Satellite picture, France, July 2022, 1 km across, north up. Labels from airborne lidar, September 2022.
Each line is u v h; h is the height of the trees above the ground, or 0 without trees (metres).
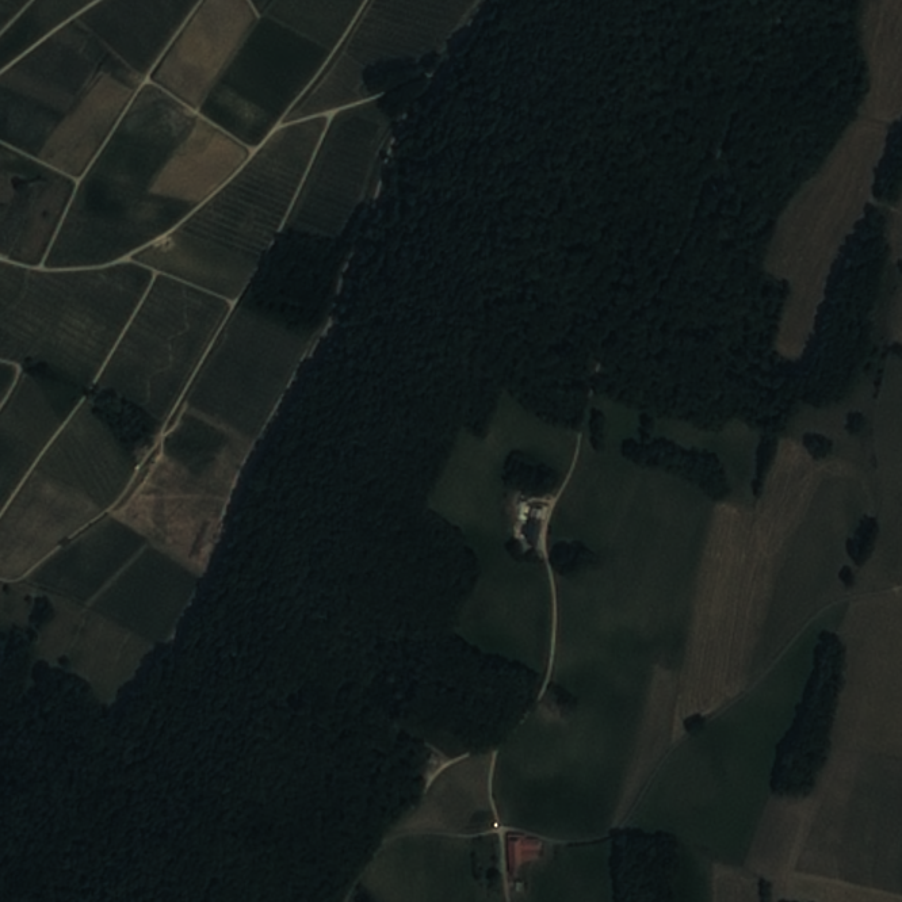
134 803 24
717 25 14
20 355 0
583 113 15
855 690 0
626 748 0
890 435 0
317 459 18
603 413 10
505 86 23
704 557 0
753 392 21
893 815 0
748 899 0
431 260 23
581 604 0
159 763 17
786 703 0
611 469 0
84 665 0
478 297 19
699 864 0
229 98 0
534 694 14
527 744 0
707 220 19
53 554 0
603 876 0
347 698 20
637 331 21
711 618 0
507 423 0
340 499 10
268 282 12
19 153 0
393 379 18
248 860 18
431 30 0
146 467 0
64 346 0
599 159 15
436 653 23
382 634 14
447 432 16
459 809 0
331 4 0
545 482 20
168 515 0
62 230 0
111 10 0
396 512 26
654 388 18
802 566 0
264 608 18
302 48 0
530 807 0
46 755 19
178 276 0
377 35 0
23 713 23
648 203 14
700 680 0
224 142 0
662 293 19
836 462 0
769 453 16
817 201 0
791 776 18
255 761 10
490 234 15
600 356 16
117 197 0
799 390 19
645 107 10
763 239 12
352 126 0
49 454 0
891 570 0
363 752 19
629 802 0
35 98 0
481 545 0
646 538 0
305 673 20
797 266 0
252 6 0
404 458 18
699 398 18
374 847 12
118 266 0
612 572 0
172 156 0
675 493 0
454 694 19
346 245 15
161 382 0
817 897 0
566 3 16
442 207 23
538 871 0
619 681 0
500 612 0
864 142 0
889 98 0
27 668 18
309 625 14
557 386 19
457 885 0
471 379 16
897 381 0
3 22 0
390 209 22
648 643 0
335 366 19
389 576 21
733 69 17
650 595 0
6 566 0
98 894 15
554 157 17
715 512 0
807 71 23
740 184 17
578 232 13
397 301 24
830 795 0
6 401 0
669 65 18
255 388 0
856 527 0
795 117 13
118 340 0
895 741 0
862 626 0
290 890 13
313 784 19
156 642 0
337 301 19
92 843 28
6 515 0
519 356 18
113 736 25
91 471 0
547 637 0
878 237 20
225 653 19
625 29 14
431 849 0
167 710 19
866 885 0
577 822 0
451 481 0
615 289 28
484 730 20
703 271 14
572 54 13
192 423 0
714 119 15
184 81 0
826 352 25
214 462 0
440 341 18
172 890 21
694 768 0
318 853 19
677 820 0
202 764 17
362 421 16
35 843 26
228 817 21
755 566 0
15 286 0
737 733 0
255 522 19
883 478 0
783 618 0
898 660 0
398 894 0
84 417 0
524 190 13
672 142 20
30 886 20
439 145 18
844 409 0
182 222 0
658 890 25
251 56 0
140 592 0
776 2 14
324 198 0
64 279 0
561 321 18
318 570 13
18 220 0
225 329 0
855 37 8
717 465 20
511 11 19
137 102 0
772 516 0
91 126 0
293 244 11
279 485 21
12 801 25
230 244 0
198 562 0
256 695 15
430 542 20
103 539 0
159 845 16
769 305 17
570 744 0
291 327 6
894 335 0
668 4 19
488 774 0
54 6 0
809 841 0
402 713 24
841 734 0
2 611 0
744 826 0
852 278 27
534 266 16
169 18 0
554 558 15
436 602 22
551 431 0
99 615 0
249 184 0
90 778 29
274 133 0
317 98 0
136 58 0
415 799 17
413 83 19
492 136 20
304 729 23
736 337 19
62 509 0
